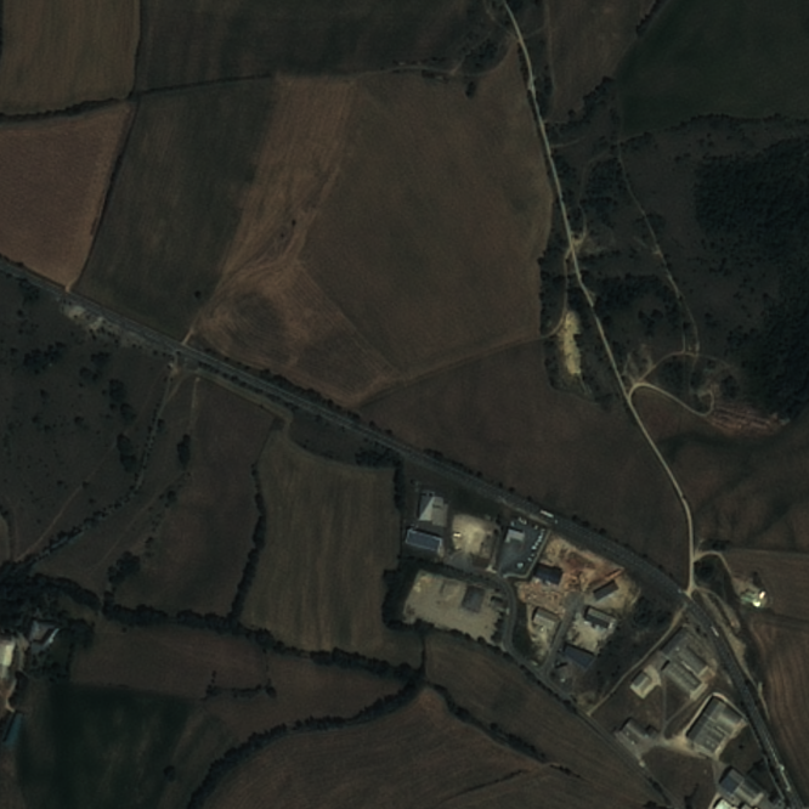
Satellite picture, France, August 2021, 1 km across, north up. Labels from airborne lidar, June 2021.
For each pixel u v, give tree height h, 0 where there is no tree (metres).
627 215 0
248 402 0
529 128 0
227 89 0
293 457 0
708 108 0
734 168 7
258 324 0
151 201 0
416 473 0
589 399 0
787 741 0
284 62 0
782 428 0
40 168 0
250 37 0
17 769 0
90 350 0
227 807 0
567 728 0
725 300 0
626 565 0
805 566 0
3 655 0
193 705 0
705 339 0
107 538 0
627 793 0
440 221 0
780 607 0
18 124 0
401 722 0
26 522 0
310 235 0
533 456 0
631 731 0
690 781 0
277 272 0
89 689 0
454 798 0
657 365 0
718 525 0
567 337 0
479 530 0
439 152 0
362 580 0
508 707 0
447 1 0
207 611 0
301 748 0
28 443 0
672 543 0
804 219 10
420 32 0
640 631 0
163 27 0
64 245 0
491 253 0
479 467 0
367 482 0
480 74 0
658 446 0
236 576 0
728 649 0
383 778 0
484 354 0
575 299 6
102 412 0
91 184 0
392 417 0
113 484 0
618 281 7
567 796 0
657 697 0
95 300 0
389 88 0
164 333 0
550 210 0
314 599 0
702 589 0
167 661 0
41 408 0
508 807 0
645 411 0
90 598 14
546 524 0
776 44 0
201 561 0
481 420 0
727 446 0
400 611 0
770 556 0
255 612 0
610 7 0
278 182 0
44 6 0
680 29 0
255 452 0
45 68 0
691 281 0
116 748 0
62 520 0
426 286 0
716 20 0
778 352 6
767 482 0
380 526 0
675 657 0
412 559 7
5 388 0
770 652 0
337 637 0
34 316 0
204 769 0
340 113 0
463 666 0
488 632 0
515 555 0
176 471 0
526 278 0
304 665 0
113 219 0
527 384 0
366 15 0
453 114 0
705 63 0
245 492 0
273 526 0
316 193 0
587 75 0
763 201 6
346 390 0
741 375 0
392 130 0
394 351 0
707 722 0
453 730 0
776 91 0
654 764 0
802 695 0
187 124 0
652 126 0
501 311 0
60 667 9
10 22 0
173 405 0
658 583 0
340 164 0
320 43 0
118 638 0
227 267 0
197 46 0
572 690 0
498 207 0
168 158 0
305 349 0
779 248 8
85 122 0
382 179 0
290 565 0
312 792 0
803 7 0
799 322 10
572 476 0
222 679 0
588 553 0
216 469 0
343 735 0
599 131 0
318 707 0
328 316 0
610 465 0
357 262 0
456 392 0
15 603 13
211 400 0
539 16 0
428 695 0
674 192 0
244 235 0
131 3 0
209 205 0
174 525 0
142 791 0
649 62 0
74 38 0
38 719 0
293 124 0
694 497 0
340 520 0
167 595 0
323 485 0
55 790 0
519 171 0
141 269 0
